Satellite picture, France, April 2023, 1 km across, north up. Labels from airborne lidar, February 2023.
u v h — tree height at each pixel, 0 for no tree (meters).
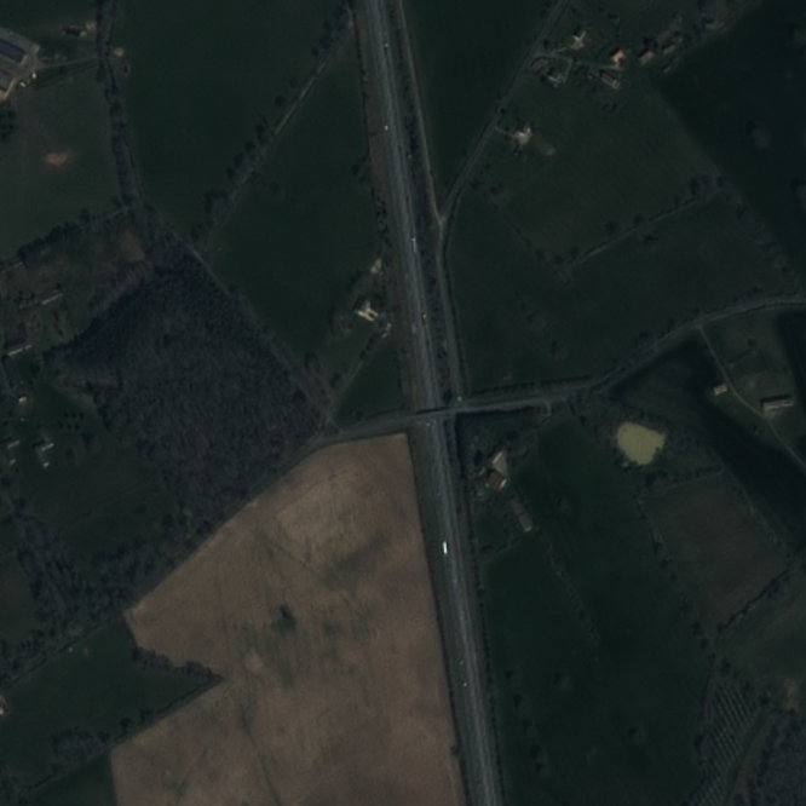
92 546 0
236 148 0
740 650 0
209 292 26
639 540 0
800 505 0
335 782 0
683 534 0
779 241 0
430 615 0
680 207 12
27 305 11
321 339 0
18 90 0
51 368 16
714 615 0
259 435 24
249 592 0
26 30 0
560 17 0
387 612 0
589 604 0
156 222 25
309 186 0
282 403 20
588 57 0
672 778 0
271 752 0
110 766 0
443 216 0
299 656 0
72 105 0
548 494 0
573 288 0
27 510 18
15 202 0
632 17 0
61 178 0
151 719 16
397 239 0
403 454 0
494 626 0
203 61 0
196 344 20
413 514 0
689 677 0
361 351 0
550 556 6
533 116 0
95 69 0
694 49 14
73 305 0
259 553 0
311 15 0
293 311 0
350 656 0
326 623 0
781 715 17
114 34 0
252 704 0
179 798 0
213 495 25
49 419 0
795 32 16
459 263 0
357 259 0
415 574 0
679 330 13
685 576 0
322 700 0
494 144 0
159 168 0
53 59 0
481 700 0
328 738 0
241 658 0
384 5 0
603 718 0
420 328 0
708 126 0
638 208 0
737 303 12
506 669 0
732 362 0
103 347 22
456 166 0
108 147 0
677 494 0
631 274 0
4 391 17
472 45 0
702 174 0
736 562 0
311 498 0
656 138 0
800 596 0
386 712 0
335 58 20
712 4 15
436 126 0
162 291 24
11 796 15
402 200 0
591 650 0
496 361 0
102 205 0
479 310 0
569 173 0
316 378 16
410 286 0
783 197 0
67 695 0
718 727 0
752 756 0
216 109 0
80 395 0
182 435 27
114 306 12
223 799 0
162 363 24
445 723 0
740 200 15
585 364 0
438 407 0
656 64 0
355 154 0
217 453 25
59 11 0
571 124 0
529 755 0
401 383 7
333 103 0
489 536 0
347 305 0
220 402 26
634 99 0
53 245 16
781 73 0
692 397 0
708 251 0
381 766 0
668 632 0
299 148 0
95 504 0
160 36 0
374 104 0
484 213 0
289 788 0
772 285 0
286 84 0
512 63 0
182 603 0
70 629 18
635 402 0
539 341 0
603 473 0
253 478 20
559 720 0
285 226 0
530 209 0
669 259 0
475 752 0
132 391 24
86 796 0
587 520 0
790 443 0
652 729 0
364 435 0
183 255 22
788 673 0
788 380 0
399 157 0
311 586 0
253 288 0
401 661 0
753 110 0
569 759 0
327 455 0
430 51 0
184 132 0
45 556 23
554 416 9
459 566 0
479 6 0
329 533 0
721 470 8
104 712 0
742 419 0
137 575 25
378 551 0
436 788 0
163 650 0
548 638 0
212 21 0
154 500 0
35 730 0
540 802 0
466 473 10
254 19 0
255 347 21
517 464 12
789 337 0
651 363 0
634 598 0
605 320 0
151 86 0
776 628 0
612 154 0
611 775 0
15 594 0
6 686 16
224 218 21
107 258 0
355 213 0
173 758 0
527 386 8
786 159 0
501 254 0
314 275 0
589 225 0
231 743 0
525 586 0
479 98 0
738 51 0
